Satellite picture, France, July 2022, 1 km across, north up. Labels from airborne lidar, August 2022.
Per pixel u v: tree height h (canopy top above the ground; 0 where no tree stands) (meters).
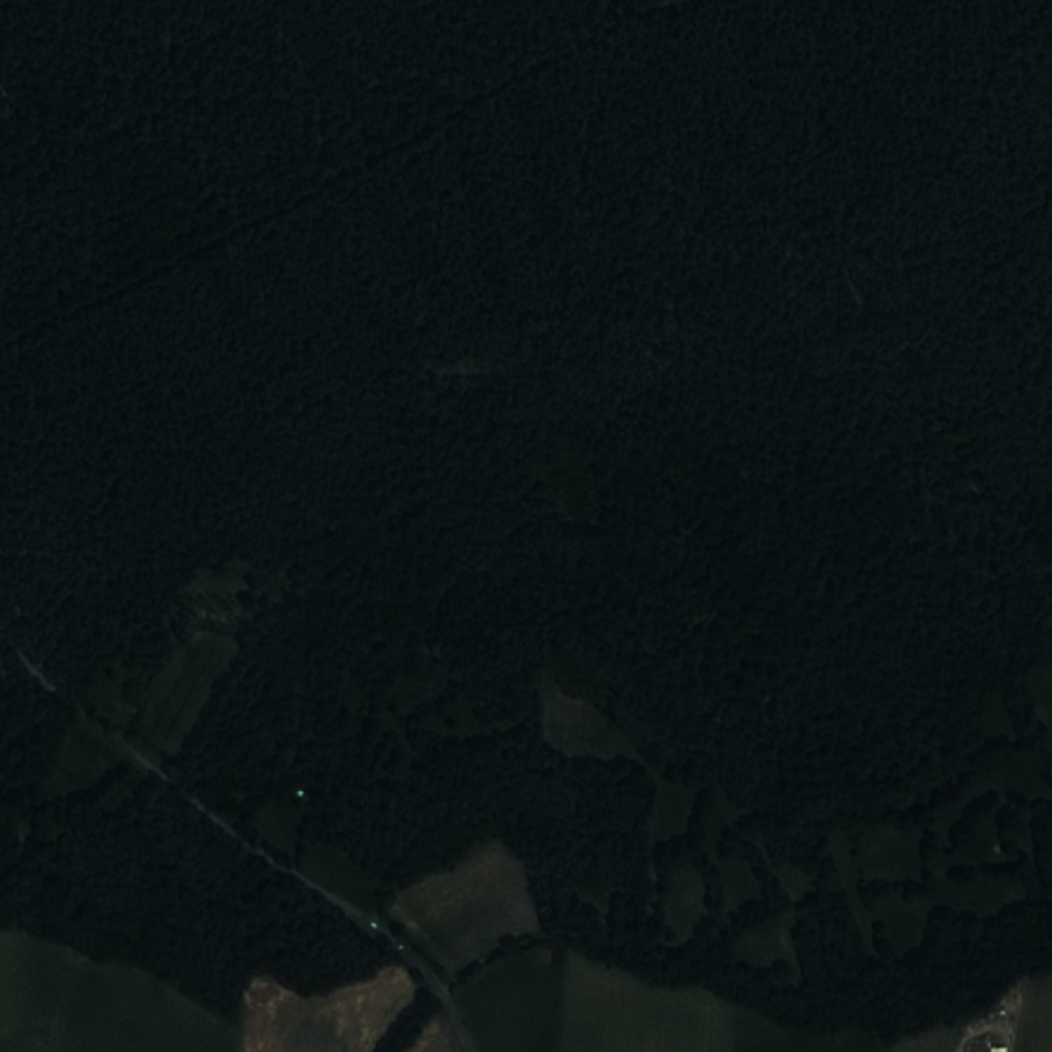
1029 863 20
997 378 23
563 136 15
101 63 18
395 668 21
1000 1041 0
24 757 23
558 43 20
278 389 19
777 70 18
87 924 22
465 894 0
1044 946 16
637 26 19
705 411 18
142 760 0
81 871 7
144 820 19
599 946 15
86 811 22
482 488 15
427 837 20
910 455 14
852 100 14
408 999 0
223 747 19
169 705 0
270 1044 0
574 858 24
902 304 22
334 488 20
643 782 23
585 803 18
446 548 19
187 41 20
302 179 24
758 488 19
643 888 21
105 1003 0
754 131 18
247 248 24
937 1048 0
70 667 22
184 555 21
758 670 26
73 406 21
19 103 16
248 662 17
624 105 23
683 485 12
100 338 18
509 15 18
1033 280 21
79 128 22
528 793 18
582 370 26
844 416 22
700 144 15
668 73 22
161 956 23
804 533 21
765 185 17
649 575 17
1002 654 19
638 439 23
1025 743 15
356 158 20
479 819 20
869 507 27
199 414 13
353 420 22
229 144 24
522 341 16
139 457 12
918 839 0
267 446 17
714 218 22
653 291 19
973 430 12
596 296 20
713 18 22
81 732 0
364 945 25
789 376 23
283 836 0
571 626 26
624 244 20
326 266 18
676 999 0
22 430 15
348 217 17
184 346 20
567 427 19
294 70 23
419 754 20
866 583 19
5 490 19
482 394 21
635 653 16
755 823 24
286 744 30
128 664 6
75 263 19
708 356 25
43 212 19
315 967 17
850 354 25
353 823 16
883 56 20
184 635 25
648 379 20
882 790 25
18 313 23
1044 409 8
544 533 27
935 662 19
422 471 19
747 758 27
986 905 0
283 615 25
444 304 18
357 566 26
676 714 19
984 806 19
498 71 24
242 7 26
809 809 22
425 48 21
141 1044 0
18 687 18
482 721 17
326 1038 0
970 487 8
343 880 0
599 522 5
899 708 15
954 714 20
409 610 27
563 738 0
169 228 23
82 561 18
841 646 17
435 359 13
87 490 18
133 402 23
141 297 20
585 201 15
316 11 19
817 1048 0
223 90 26
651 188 18
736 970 15
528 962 0
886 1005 18
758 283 21
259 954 18
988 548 21
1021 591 21
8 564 16
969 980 18
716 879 14
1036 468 21
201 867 24
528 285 23
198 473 16
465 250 18
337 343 12
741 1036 0
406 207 21
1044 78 12
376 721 19
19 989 0
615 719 26
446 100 25
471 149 18
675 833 0
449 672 13
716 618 12
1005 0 15
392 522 8
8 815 27
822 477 22
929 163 18
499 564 25
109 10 18
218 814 6
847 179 16
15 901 23
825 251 21
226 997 19
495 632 18
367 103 26
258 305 22
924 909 0
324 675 15
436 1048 0
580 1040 0
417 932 0
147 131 25
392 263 18
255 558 16
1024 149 24
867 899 16
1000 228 19
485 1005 0
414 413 12
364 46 16
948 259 23
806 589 27
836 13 20
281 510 20
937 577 23
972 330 23
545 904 20
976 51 17
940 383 19
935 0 20
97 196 22
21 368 20
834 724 19
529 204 14
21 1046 0
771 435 19
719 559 20
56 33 23
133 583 19
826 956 17
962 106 20
